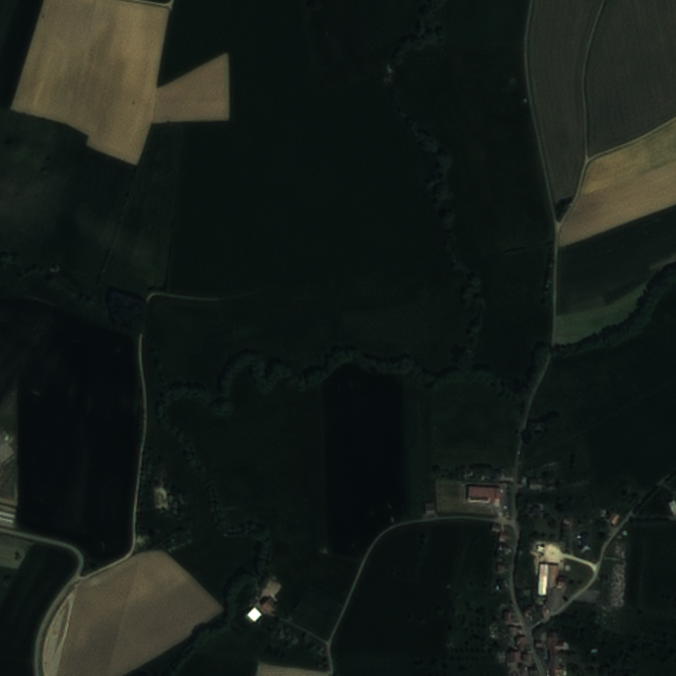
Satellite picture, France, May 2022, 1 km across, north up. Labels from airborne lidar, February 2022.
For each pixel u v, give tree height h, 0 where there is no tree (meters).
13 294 0
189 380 0
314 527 0
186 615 0
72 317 0
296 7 0
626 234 0
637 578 0
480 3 0
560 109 0
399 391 0
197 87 0
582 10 0
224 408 16
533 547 0
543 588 0
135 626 0
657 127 0
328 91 0
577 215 0
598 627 7
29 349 0
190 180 0
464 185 0
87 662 0
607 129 0
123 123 0
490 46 0
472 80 0
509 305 0
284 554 0
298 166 0
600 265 0
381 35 0
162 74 0
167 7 0
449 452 0
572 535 0
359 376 0
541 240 0
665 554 0
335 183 0
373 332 0
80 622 0
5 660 0
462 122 0
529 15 0
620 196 0
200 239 0
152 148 0
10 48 0
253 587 15
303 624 0
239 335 0
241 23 0
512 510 0
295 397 0
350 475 0
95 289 0
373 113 0
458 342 0
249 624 0
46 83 0
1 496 0
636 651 13
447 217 19
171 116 0
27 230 0
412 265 0
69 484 0
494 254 0
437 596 0
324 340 0
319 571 0
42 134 0
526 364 0
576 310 0
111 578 0
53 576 0
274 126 0
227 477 0
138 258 0
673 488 0
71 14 0
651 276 0
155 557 0
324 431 0
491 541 0
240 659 0
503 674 0
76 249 0
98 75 0
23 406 0
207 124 0
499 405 0
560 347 11
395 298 0
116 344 0
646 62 0
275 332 0
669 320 0
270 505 0
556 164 0
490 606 0
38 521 0
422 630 0
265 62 0
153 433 0
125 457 0
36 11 0
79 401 0
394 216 0
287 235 0
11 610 0
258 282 0
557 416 13
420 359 0
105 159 0
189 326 0
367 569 0
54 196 0
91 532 0
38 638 0
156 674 0
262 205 0
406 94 0
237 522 0
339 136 0
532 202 0
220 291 0
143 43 0
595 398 0
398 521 0
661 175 0
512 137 0
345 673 0
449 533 0
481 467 9
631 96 0
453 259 0
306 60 0
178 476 0
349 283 0
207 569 0
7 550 0
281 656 7
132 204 0
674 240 0
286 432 0
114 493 0
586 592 0
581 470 0
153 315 0
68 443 0
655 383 0
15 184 0
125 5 0
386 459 0
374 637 0
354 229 0
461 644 0
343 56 0
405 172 0
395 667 0
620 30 0
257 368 19
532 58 0
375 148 0
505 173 0
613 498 0
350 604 0
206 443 0
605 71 0
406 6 0
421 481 0
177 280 0
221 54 0
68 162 0
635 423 0
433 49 0
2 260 8
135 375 0
